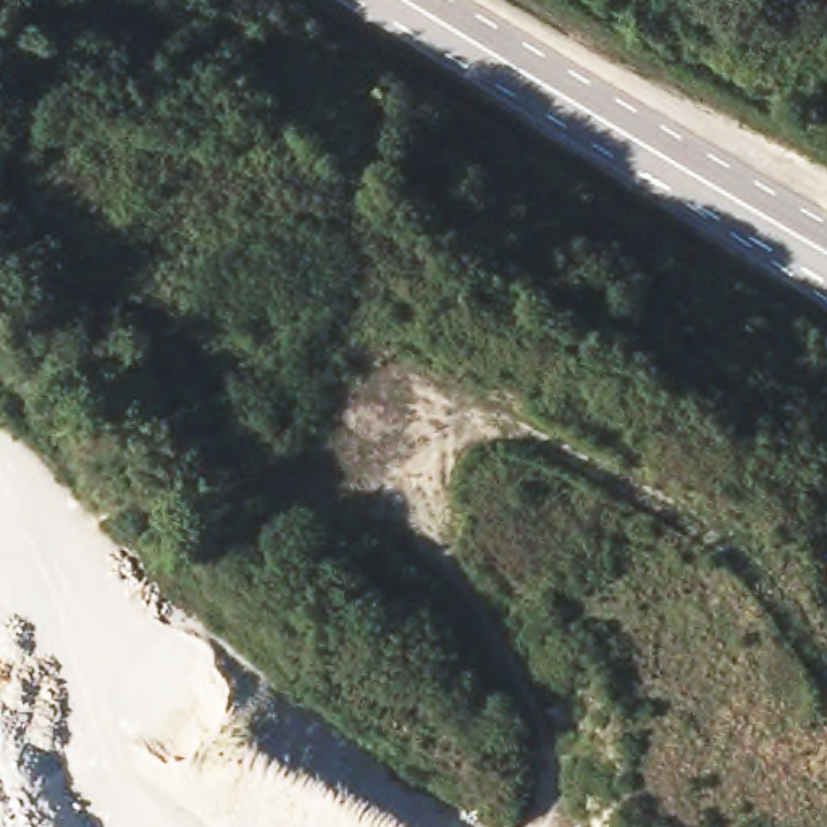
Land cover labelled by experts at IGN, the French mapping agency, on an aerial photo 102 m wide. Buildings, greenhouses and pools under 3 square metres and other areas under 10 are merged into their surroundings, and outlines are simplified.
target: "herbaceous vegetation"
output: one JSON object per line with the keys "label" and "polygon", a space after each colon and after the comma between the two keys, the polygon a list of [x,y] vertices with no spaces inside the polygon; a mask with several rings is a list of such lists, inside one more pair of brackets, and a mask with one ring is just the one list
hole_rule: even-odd
{"label": "herbaceous vegetation", "polygon": [[307,510],[313,501],[304,491],[313,468],[310,459],[304,459],[297,449],[278,455],[252,430],[239,423],[236,407],[226,397],[229,372],[223,368],[220,352],[210,349],[223,326],[213,317],[197,317],[181,310],[178,304],[162,304],[155,294],[158,262],[168,271],[187,271],[197,258],[197,233],[226,233],[223,207],[236,207],[246,220],[258,223],[275,223],[284,216],[297,220],[300,213],[313,213],[317,220],[323,220],[320,197],[326,191],[326,181],[304,174],[297,168],[294,152],[284,145],[284,132],[265,136],[265,126],[258,120],[242,116],[229,152],[220,152],[213,145],[213,158],[207,165],[184,165],[162,152],[94,145],[78,168],[68,168],[65,152],[45,145],[36,158],[26,155],[13,165],[13,181],[16,197],[29,213],[65,226],[78,239],[71,246],[68,291],[74,291],[84,300],[84,307],[71,323],[84,326],[84,333],[97,342],[103,342],[110,330],[132,330],[132,349],[142,359],[136,359],[126,368],[126,375],[113,381],[120,397],[126,404],[136,404],[145,423],[168,423],[171,449],[194,449],[200,459],[220,468],[216,475],[223,494],[226,501],[233,501],[233,523],[262,533],[262,527],[271,523],[278,514],[294,507]]}
{"label": "herbaceous vegetation", "polygon": [[397,84],[404,97],[414,94],[430,107],[446,107],[472,84],[459,58],[449,58],[446,52],[420,39],[388,32],[378,23],[368,23],[362,13],[365,0],[304,0],[310,6],[304,32],[317,36],[317,26],[323,26],[333,39],[352,36],[359,48],[359,55],[352,58],[352,71],[368,74],[378,90],[391,90]]}
{"label": "herbaceous vegetation", "polygon": [[423,375],[430,388],[449,397],[446,414],[478,407],[485,410],[485,420],[497,430],[494,439],[481,439],[455,452],[449,523],[433,543],[443,549],[443,556],[455,556],[468,585],[504,614],[504,627],[514,636],[520,656],[527,659],[530,675],[572,704],[578,730],[562,733],[556,743],[559,801],[552,804],[552,811],[572,814],[581,827],[827,827],[827,562],[775,536],[775,530],[782,527],[782,507],[766,491],[753,501],[730,501],[704,497],[701,491],[682,491],[678,481],[672,481],[665,491],[656,491],[653,468],[623,465],[617,455],[591,446],[588,439],[578,439],[575,430],[539,423],[539,430],[533,430],[527,401],[507,388],[478,391],[472,397],[455,394],[462,384],[452,372]]}
{"label": "herbaceous vegetation", "polygon": [[546,29],[575,39],[588,52],[633,71],[636,78],[653,81],[685,100],[704,103],[737,120],[740,126],[827,168],[827,126],[801,126],[795,103],[788,103],[782,94],[772,94],[769,100],[753,97],[727,78],[717,81],[714,90],[707,90],[701,81],[688,74],[695,61],[682,58],[682,48],[669,55],[669,48],[656,36],[636,32],[636,26],[588,26],[578,19],[578,10],[569,0],[507,0]]}
{"label": "herbaceous vegetation", "polygon": [[52,430],[48,423],[29,426],[23,397],[13,388],[0,384],[0,430],[29,446],[45,462],[52,478],[61,488],[68,488],[71,497],[100,523],[116,517],[116,510],[100,497],[100,481],[90,475],[90,436]]}

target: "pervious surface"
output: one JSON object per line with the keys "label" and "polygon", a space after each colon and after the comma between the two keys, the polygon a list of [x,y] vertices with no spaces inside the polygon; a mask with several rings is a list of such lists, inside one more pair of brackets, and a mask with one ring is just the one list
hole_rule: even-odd
{"label": "pervious surface", "polygon": [[100,533],[100,523],[71,497],[68,488],[61,488],[52,478],[45,462],[29,446],[0,430],[0,827],[485,827],[478,811],[459,814],[430,791],[404,785],[378,756],[346,740],[310,707],[284,698],[265,678],[258,678],[262,669],[249,656],[233,649],[229,640],[223,640],[220,633],[210,633],[197,617],[187,617],[174,604],[158,604],[158,588],[136,581],[132,565],[120,559],[120,546]]}
{"label": "pervious surface", "polygon": [[504,614],[468,585],[455,556],[443,556],[443,549],[433,543],[449,523],[455,452],[481,439],[494,439],[497,430],[485,420],[485,410],[478,407],[446,414],[449,397],[430,388],[423,375],[417,365],[397,362],[388,352],[372,349],[372,375],[355,378],[349,391],[346,426],[330,439],[330,446],[317,433],[307,433],[297,449],[304,459],[310,459],[313,468],[304,491],[313,501],[307,510],[313,546],[304,556],[320,562],[330,559],[336,569],[342,569],[352,578],[349,598],[359,601],[362,594],[375,591],[381,607],[397,620],[430,614],[436,646],[443,649],[436,669],[439,691],[452,691],[459,675],[472,672],[475,682],[468,695],[468,711],[475,717],[481,714],[491,695],[501,695],[507,707],[523,717],[523,737],[517,740],[517,749],[527,766],[527,779],[514,791],[514,798],[520,804],[520,821],[527,827],[581,827],[572,814],[552,811],[552,804],[559,801],[556,743],[562,733],[578,730],[572,704],[530,675],[527,659],[520,656],[514,636],[504,627]]}

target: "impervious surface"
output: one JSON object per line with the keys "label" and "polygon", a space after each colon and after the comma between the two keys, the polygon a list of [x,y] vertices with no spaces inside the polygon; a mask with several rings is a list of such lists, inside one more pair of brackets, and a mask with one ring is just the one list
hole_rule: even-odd
{"label": "impervious surface", "polygon": [[827,297],[827,168],[740,126],[737,120],[704,103],[685,100],[653,81],[636,78],[633,71],[588,52],[575,39],[546,29],[507,0],[365,0],[362,13],[368,23],[378,23],[388,32],[420,39],[446,52],[449,58],[459,58],[472,84],[488,97],[501,100],[533,129],[546,132],[559,145],[572,149],[581,158],[591,158],[607,174],[620,178],[611,191],[617,194],[620,210],[633,223],[653,226],[665,242],[675,242],[682,229],[695,223],[701,236],[727,246],[730,252],[740,252],[749,265],[766,268],[772,275],[791,275],[811,284],[824,284],[814,294],[814,300]]}

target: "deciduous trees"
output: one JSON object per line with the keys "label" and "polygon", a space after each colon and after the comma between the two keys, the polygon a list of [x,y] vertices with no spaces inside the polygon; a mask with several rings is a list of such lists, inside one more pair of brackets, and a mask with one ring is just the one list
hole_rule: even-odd
{"label": "deciduous trees", "polygon": [[769,100],[772,94],[782,94],[788,103],[795,103],[801,126],[827,126],[827,0],[569,0],[578,10],[578,19],[588,26],[636,26],[636,32],[656,36],[669,48],[669,55],[682,48],[682,58],[695,61],[688,74],[701,81],[707,90],[714,90],[717,81],[727,78],[753,97]]}
{"label": "deciduous trees", "polygon": [[252,430],[278,455],[297,449],[307,433],[317,433],[330,446],[330,439],[346,426],[349,391],[355,378],[372,375],[372,349],[388,352],[397,362],[417,365],[423,375],[452,372],[462,384],[455,394],[472,397],[478,391],[507,388],[527,401],[533,430],[539,430],[539,423],[575,430],[578,439],[588,439],[591,446],[617,455],[623,465],[653,468],[656,491],[665,491],[672,481],[678,481],[682,491],[701,491],[704,497],[730,501],[753,501],[766,491],[782,507],[782,527],[775,530],[775,536],[827,562],[827,297],[814,300],[814,294],[824,284],[811,284],[791,275],[772,275],[766,268],[749,265],[740,252],[730,252],[727,246],[701,236],[695,223],[682,229],[675,242],[665,242],[653,226],[633,223],[620,210],[617,194],[611,191],[620,178],[607,174],[591,158],[581,158],[572,149],[559,145],[546,132],[533,129],[501,100],[488,97],[472,84],[446,107],[430,107],[414,94],[404,97],[397,84],[391,90],[378,90],[368,74],[352,71],[352,58],[359,55],[359,48],[352,36],[333,39],[323,26],[317,26],[317,36],[304,32],[310,6],[304,0],[0,0],[0,384],[13,388],[23,397],[29,426],[48,423],[52,430],[90,436],[90,475],[100,481],[100,497],[116,510],[116,517],[100,523],[100,533],[120,546],[120,559],[132,565],[136,581],[158,588],[158,604],[174,604],[187,617],[197,617],[210,633],[220,633],[223,640],[229,640],[233,649],[249,656],[262,669],[258,678],[265,678],[284,698],[310,707],[346,740],[378,756],[404,785],[430,791],[459,814],[478,811],[485,827],[527,827],[520,821],[520,804],[514,798],[514,791],[527,779],[527,766],[517,749],[517,740],[523,737],[523,717],[507,707],[501,695],[491,695],[481,714],[475,717],[468,711],[468,695],[475,682],[472,672],[459,675],[452,691],[439,691],[436,669],[443,649],[436,646],[430,614],[397,620],[381,607],[375,591],[362,594],[359,601],[349,598],[352,578],[342,569],[336,569],[330,559],[320,562],[304,556],[313,546],[307,510],[294,507],[278,514],[271,523],[262,527],[262,533],[233,523],[233,501],[226,501],[223,494],[216,475],[220,468],[200,459],[194,449],[171,449],[168,423],[145,423],[136,404],[126,404],[120,397],[113,381],[126,375],[126,368],[136,359],[142,359],[132,349],[132,330],[110,330],[103,342],[97,342],[84,333],[84,326],[71,323],[84,307],[84,300],[74,291],[68,291],[71,246],[78,239],[65,226],[29,213],[16,197],[13,181],[13,165],[26,155],[36,158],[45,145],[65,152],[68,168],[78,168],[94,145],[162,152],[184,165],[207,165],[213,158],[213,145],[220,152],[229,152],[242,116],[258,120],[265,126],[265,136],[284,132],[284,145],[294,152],[297,168],[304,174],[326,181],[326,191],[320,197],[323,220],[317,220],[313,213],[300,213],[297,220],[284,216],[275,223],[258,223],[246,220],[236,207],[223,207],[226,233],[197,233],[197,258],[187,271],[168,271],[158,262],[155,294],[162,304],[178,304],[181,310],[197,317],[213,317],[223,326],[210,349],[220,352],[223,368],[229,372],[226,397],[236,407],[239,423]]}

